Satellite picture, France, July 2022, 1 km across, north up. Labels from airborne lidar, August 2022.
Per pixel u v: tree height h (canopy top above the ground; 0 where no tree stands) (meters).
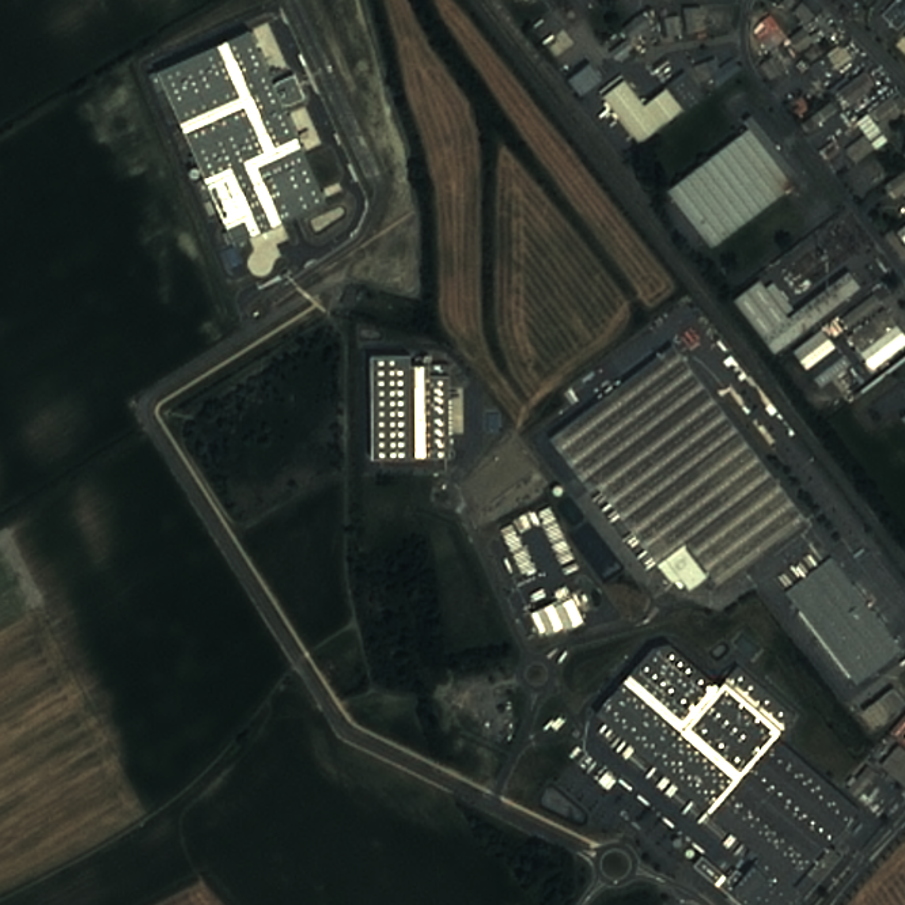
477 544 0
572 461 0
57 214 0
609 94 0
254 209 0
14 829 0
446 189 0
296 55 0
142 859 0
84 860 0
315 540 0
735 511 0
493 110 7
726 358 0
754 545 0
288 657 0
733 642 0
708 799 0
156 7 0
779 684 0
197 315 0
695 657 0
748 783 0
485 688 0
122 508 0
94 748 0
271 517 0
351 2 0
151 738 0
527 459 0
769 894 0
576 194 0
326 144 0
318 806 0
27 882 0
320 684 0
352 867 0
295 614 0
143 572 0
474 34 0
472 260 0
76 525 0
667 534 0
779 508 0
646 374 0
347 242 0
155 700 0
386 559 9
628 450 0
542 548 0
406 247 0
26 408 0
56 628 0
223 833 0
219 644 0
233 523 0
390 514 0
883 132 0
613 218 0
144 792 0
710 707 0
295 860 0
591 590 0
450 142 0
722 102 0
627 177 0
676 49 0
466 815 8
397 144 0
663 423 0
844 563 0
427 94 0
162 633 0
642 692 0
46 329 0
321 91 0
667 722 0
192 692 0
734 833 0
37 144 0
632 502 0
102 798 0
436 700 0
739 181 0
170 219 0
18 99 0
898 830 0
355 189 0
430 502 0
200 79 0
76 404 0
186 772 0
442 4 0
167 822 0
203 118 0
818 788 0
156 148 0
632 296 0
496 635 0
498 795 0
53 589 0
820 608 0
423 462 0
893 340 0
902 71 0
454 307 0
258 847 0
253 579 0
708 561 0
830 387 0
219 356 0
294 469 0
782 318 0
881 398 0
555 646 0
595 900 0
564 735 0
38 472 0
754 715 0
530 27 13
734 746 0
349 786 0
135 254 0
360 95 0
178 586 0
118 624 0
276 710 0
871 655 0
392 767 0
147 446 0
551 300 0
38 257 0
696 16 0
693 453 0
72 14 0
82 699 0
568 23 0
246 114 0
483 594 0
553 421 0
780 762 0
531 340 0
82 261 0
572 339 0
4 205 0
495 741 0
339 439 11
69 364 0
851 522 0
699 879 0
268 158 0
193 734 0
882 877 0
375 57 0
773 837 0
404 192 0
